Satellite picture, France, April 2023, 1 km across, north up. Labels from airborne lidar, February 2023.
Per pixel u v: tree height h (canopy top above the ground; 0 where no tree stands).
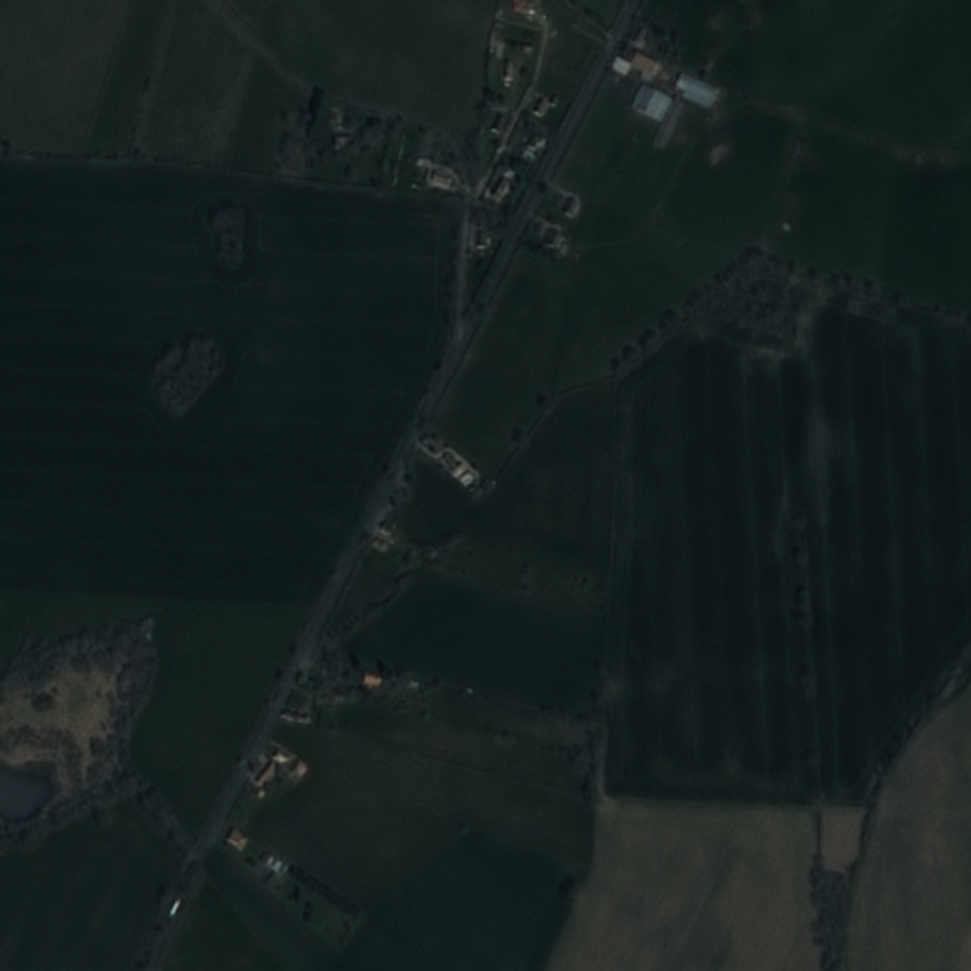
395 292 0
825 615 0
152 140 0
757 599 0
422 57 0
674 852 0
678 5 0
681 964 0
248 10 0
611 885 0
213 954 0
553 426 0
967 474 0
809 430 0
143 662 11
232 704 0
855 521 0
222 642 0
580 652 0
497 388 0
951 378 0
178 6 0
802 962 0
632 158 0
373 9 0
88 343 0
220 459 0
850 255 0
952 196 0
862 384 0
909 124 0
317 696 10
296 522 0
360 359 0
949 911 0
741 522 0
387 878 0
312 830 0
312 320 0
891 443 0
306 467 0
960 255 0
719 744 0
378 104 0
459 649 0
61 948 0
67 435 0
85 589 0
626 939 0
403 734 0
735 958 0
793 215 0
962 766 0
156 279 0
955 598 0
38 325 0
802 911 0
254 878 0
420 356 0
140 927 0
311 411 0
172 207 0
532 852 0
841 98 0
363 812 0
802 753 0
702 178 0
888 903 0
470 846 0
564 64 0
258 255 0
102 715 0
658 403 0
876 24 0
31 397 0
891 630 0
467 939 0
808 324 0
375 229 0
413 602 0
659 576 0
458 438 0
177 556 0
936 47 0
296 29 0
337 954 0
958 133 0
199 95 0
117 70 0
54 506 0
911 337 0
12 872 0
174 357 17
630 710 0
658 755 0
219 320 0
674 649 0
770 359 0
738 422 0
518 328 0
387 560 0
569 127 0
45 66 0
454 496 0
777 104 0
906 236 0
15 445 0
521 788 0
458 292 15
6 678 10
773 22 0
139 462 0
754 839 0
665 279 0
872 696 0
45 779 0
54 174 0
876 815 16
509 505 0
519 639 0
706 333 0
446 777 0
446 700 0
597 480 0
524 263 0
